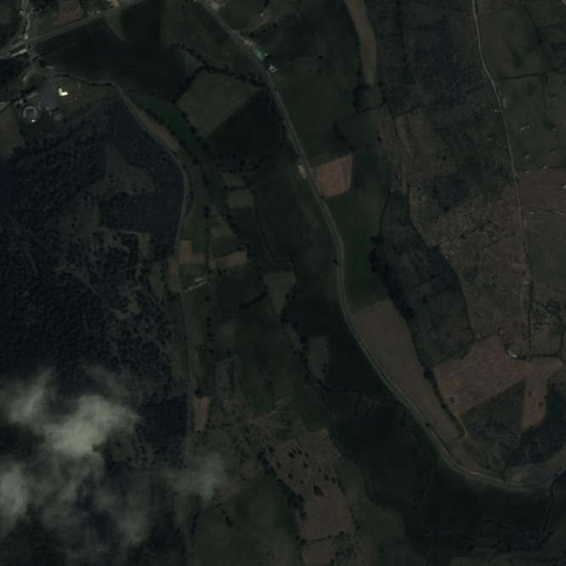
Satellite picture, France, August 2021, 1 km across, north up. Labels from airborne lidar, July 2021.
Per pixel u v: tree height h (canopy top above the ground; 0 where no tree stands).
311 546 0
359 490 0
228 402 0
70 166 8
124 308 8
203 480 0
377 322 0
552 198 0
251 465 0
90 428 9
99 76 0
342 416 0
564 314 0
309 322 0
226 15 0
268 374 0
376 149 0
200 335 0
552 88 0
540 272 0
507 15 0
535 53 0
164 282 9
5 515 6
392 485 0
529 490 0
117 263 13
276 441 0
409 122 0
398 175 0
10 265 21
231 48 0
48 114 0
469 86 0
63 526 11
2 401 9
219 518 0
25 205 7
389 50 0
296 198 0
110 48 0
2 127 0
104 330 13
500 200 0
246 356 0
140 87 0
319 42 0
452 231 0
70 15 0
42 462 10
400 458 0
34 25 0
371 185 0
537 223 0
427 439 0
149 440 19
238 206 0
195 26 0
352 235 0
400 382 0
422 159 0
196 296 0
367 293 0
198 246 0
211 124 0
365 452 0
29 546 11
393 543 0
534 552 0
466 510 0
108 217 12
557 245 0
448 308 0
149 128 0
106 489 21
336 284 0
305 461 0
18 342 13
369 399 0
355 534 0
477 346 0
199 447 0
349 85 0
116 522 20
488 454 0
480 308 0
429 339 0
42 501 16
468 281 0
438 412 0
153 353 14
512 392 0
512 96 0
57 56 0
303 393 0
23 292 14
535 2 0
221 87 0
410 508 0
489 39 0
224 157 6
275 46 0
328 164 0
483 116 0
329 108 0
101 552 21
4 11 0
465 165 0
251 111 0
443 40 0
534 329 0
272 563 0
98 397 17
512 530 0
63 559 13
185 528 0
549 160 0
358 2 0
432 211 0
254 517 0
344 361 0
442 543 0
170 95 0
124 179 0
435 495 0
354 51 0
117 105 0
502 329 0
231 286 0
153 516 6
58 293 14
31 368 17
